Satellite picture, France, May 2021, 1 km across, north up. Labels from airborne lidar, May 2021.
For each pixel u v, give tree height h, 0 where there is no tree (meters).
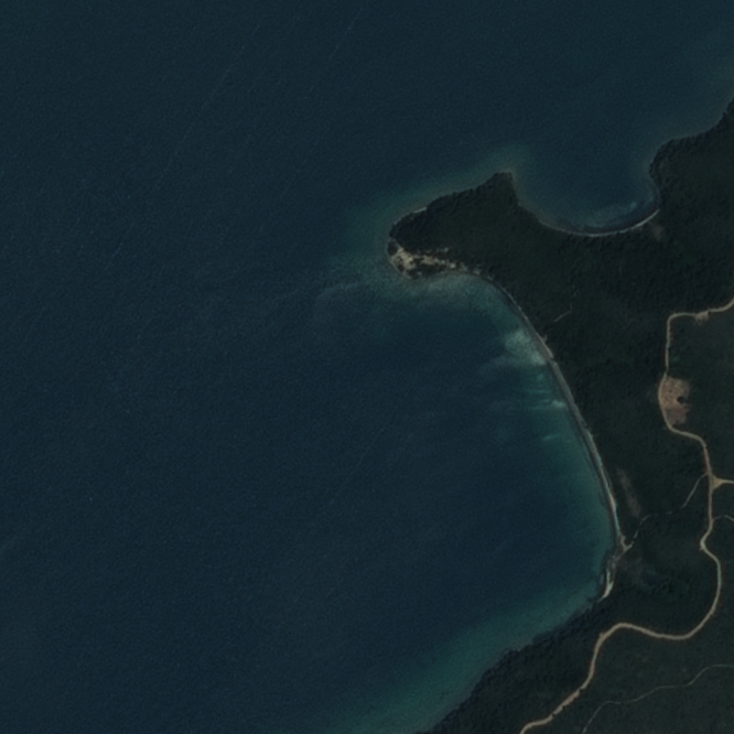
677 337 6
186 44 0
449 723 7
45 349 0
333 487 0
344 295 0
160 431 0
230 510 0
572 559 0
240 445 0
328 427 0
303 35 0
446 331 0
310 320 0
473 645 0
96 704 0
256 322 0
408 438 0
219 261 0
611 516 0
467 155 0
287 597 0
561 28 0
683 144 10
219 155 0
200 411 0
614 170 0
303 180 0
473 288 0
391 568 0
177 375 0
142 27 0
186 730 0
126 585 0
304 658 0
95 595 0
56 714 0
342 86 0
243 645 0
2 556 0
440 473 0
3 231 0
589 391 7
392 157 0
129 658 0
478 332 0
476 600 0
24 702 0
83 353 0
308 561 0
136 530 0
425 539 0
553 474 0
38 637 0
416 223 10
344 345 0
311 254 0
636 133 0
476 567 0
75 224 0
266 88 0
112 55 0
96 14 0
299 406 0
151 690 0
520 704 6
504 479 0
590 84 0
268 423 0
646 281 10
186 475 0
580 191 0
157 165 0
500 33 0
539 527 0
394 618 0
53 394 0
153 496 0
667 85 0
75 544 0
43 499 0
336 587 0
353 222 0
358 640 0
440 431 0
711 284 7
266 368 0
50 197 0
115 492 0
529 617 0
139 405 0
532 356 0
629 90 0
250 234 0
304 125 0
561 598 0
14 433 0
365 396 0
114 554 0
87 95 0
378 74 0
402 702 0
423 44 0
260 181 0
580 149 0
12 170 0
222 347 0
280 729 0
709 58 0
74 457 0
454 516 0
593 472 0
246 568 0
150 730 0
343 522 0
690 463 10
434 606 0
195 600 0
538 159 0
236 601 0
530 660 7
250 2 0
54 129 0
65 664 0
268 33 0
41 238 0
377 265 0
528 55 0
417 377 0
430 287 0
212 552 0
